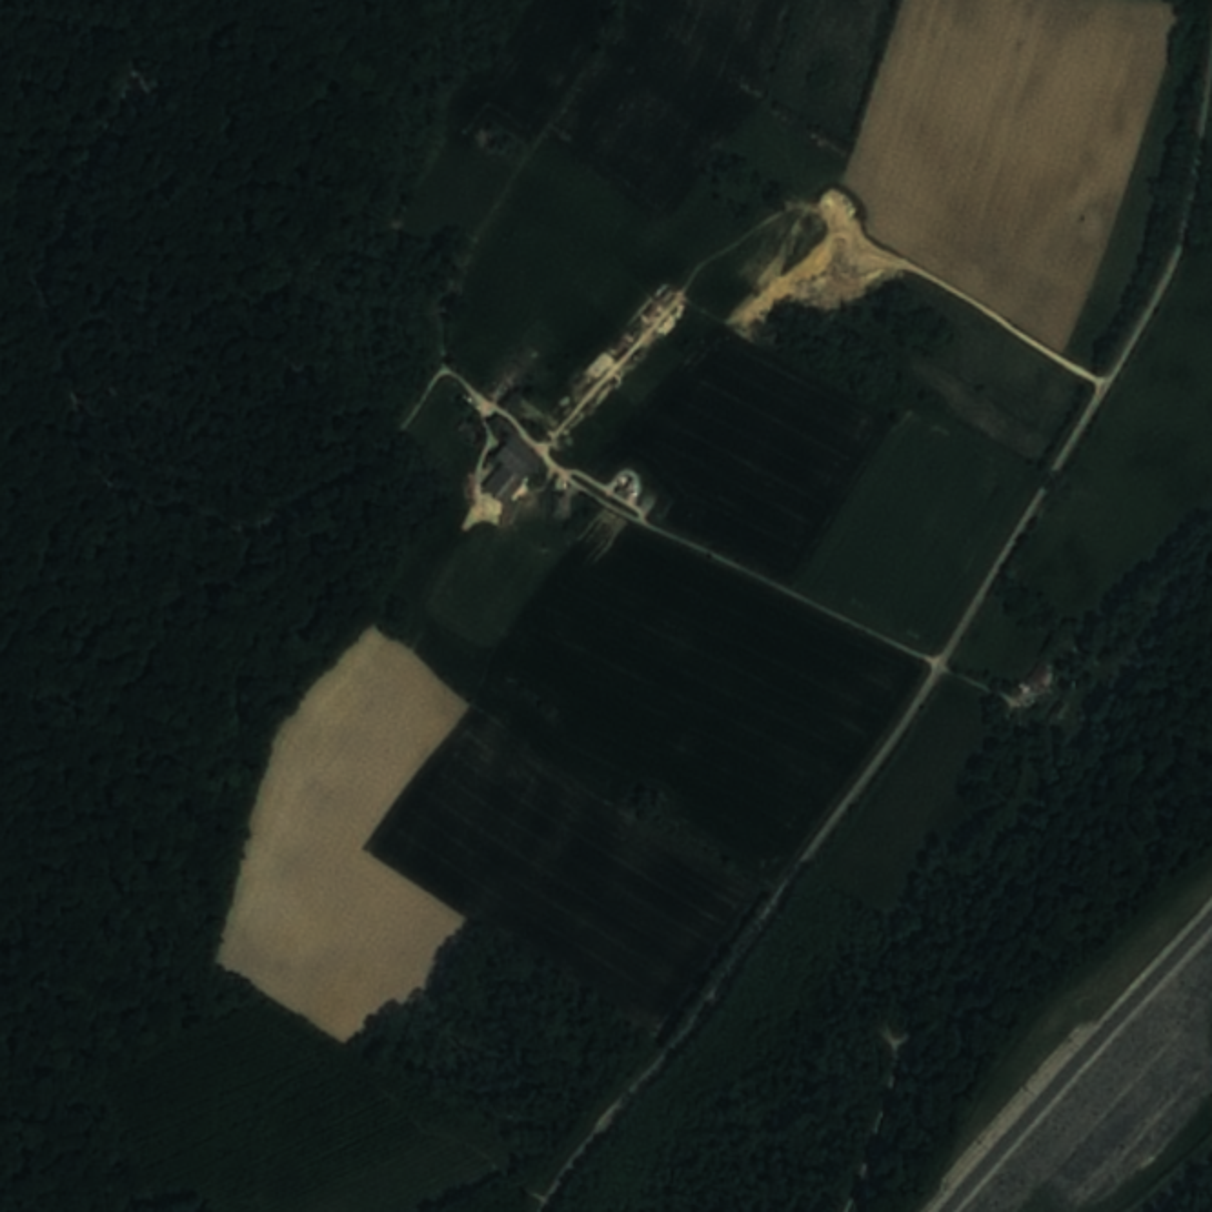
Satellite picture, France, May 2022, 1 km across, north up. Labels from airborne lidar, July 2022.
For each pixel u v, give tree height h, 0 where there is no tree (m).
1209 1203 27
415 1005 20
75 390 20
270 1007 6
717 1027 17
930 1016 22
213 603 29
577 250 0
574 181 0
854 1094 31
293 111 31
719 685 0
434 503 27
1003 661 0
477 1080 24
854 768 0
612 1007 12
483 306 0
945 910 22
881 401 10
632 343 0
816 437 0
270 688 26
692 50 0
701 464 0
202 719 33
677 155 0
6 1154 30
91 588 26
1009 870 26
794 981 22
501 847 0
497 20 25
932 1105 30
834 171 0
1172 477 0
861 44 0
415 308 25
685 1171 18
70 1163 27
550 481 0
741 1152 11
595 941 0
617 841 0
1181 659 27
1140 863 29
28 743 25
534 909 0
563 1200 18
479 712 0
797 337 12
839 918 22
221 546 28
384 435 22
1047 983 27
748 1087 13
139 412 25
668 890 0
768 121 0
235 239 29
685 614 0
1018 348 0
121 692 27
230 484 26
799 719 0
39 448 26
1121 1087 0
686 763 0
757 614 0
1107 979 0
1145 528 0
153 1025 28
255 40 26
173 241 27
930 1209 0
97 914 30
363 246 33
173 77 29
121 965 30
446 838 0
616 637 0
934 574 0
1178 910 0
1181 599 28
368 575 25
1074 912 26
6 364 29
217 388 26
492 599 0
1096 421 8
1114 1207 0
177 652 29
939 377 0
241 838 16
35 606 26
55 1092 27
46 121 27
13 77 27
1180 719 26
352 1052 7
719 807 0
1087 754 25
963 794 18
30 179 25
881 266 0
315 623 28
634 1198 20
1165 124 0
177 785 32
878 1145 15
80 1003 29
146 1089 6
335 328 32
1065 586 0
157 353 30
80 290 25
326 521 33
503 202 0
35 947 28
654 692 0
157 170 25
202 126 28
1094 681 15
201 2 27
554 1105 19
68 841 27
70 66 27
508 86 0
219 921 22
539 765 0
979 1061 30
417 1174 0
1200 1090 0
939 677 0
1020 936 28
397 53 36
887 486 0
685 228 0
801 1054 9
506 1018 33
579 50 0
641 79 0
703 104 0
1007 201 0
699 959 0
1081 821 27
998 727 13
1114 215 0
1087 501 0
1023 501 0
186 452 28
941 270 0
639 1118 18
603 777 0
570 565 0
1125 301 9
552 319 0
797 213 0
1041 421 0
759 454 0
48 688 25
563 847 0
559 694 0
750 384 0
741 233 0
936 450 0
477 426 7
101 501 26
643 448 0
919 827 0
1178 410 0
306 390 31
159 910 25
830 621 0
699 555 0
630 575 0
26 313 26
